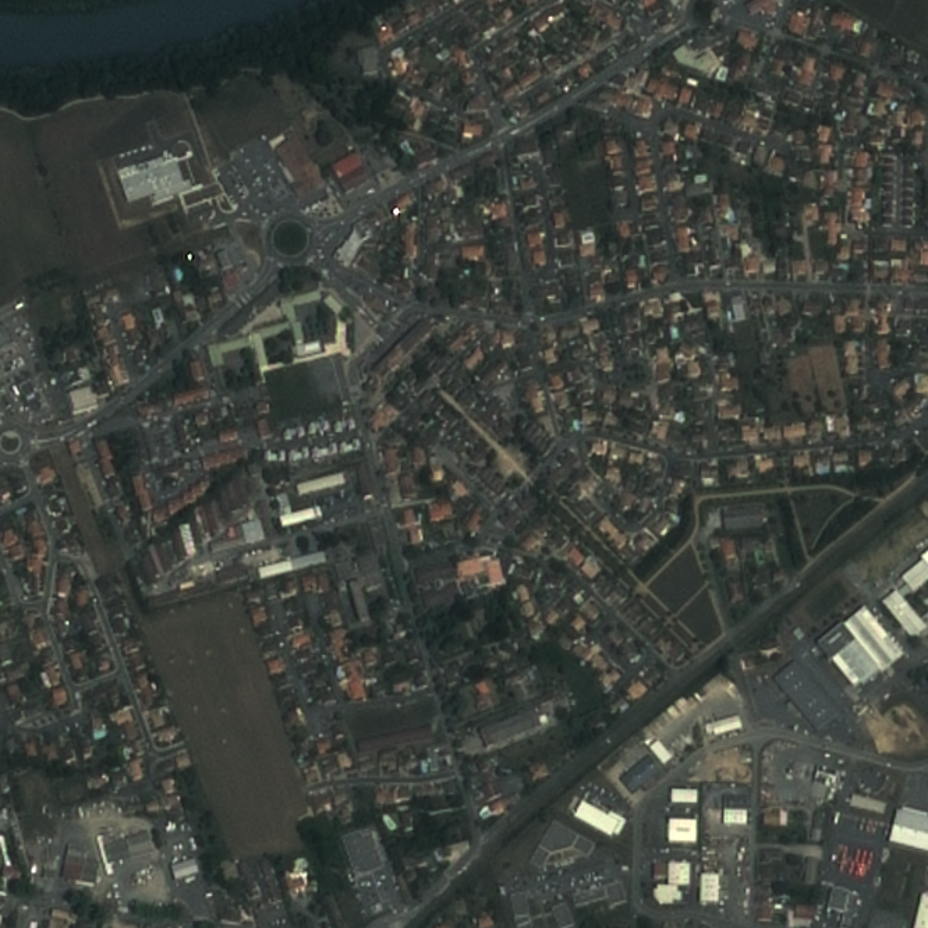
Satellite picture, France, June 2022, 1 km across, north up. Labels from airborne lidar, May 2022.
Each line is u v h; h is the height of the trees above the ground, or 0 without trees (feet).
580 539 20
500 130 0
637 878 0
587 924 26
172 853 0
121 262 0
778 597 0
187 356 38
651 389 0
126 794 0
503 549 20
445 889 0
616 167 0
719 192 24
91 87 45
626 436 21
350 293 0
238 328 0
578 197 0
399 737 0
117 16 0
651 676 0
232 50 23
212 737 0
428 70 0
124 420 0
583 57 0
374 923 0
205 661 0
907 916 0
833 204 24
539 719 0
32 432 0
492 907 21
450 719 28
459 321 0
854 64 20
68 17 0
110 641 0
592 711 20
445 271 19
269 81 28
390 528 0
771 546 0
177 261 32
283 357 34
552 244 0
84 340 29
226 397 0
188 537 0
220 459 0
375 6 69
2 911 0
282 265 0
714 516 0
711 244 21
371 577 0
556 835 0
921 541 0
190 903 0
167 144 0
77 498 0
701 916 0
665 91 0
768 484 19
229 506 0
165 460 0
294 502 0
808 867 0
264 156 0
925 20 0
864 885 0
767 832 23
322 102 32
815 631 21
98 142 0
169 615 0
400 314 0
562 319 0
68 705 21
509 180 0
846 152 19
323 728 0
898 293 0
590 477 0
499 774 26
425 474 22
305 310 0
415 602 30
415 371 33
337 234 0
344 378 0
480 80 0
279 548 0
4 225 0
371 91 51
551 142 38
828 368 0
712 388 0
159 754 0
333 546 33
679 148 25
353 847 0
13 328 0
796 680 0
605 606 0
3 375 0
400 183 0
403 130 30
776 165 0
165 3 0
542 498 30
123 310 0
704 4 24
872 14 0
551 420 0
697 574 0
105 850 0
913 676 32
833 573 0
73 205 0
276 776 0
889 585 0
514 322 0
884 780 0
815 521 0
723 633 0
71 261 0
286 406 0
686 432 24
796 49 22
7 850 20
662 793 0
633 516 25
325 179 25
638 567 22
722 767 0
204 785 0
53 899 0
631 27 0
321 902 23
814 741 0
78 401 0
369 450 0
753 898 0
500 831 0
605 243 24
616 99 0
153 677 23
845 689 0
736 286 0
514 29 0
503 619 36
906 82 21
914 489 0
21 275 0
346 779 0
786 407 24
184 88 44
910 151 17
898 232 0
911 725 0
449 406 31
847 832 0
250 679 0
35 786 0
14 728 0
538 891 0
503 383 0
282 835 0
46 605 0
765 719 0
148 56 31
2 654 0
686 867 0
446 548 18
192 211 0
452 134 18
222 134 0
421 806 53
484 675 45
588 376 0
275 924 0
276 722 0
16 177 0
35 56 0
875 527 0
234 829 0
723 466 20
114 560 0
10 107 32
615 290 42
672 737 0
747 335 0
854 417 26
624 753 0
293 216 0
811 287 0
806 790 0
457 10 0
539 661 19
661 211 0
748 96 22
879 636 0
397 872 23
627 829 0
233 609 0
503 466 0
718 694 0
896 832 0
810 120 21
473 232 0
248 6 0
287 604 24
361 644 26
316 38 51
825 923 0
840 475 25
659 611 0
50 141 0
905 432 0
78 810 0
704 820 0
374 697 26
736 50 23
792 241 31
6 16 0
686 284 0
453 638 54
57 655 0
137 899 0
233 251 0
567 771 0
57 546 24
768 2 0
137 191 0
